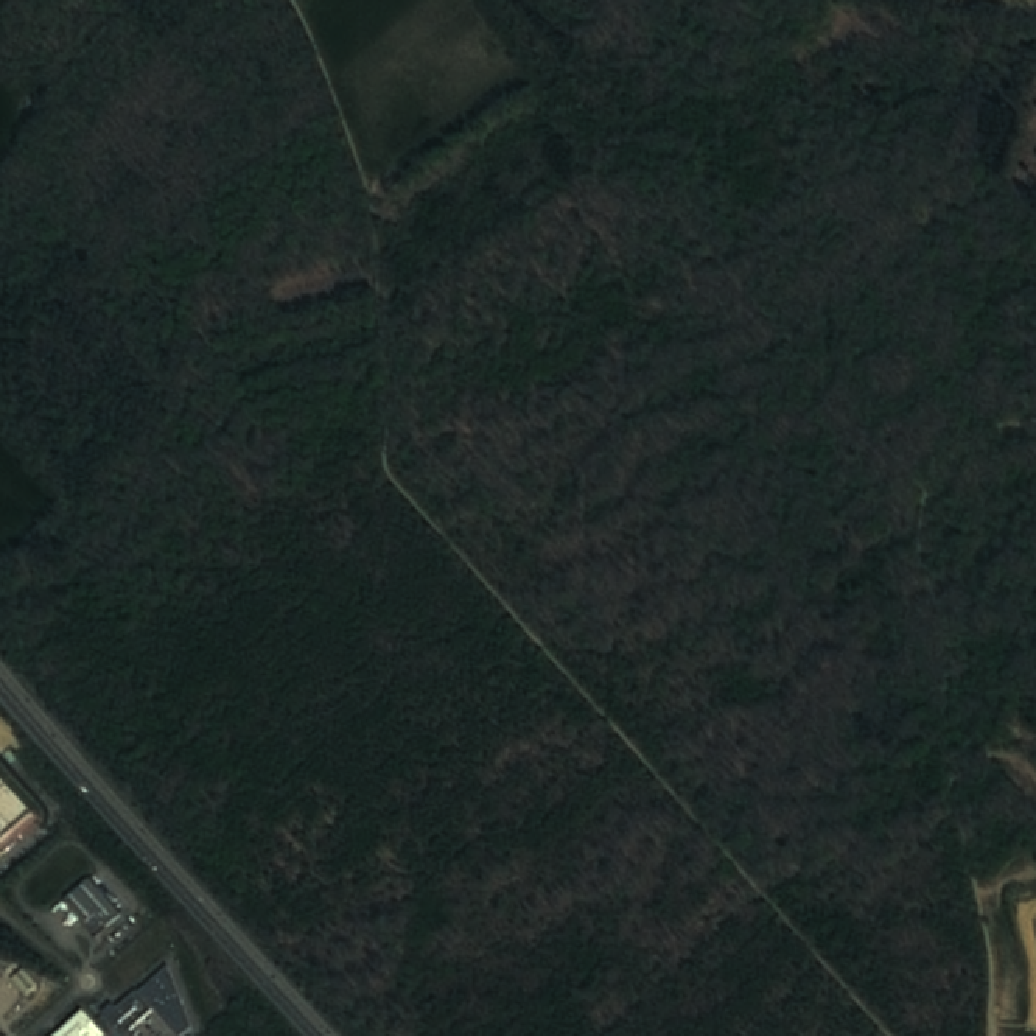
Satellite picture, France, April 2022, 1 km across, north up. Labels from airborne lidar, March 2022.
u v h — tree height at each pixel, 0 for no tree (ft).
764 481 96
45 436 77
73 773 0
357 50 0
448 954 81
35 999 0
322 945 96
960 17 89
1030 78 87
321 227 81
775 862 77
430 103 0
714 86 88
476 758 49
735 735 89
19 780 0
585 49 66
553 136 26
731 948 62
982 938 33
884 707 90
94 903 0
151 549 95
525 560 72
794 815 100
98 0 83
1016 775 0
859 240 91
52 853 0
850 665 101
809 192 84
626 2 104
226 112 97
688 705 83
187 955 0
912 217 69
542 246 80
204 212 93
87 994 0
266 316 89
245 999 31
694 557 84
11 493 0
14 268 92
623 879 98
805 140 94
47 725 0
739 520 95
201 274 80
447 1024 42
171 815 33
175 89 86
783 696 39
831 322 73
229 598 50
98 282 89
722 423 89
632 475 85
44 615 95
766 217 88
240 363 71
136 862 44
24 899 0
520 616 70
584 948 48
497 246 91
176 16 93
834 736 101
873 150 83
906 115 90
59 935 0
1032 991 0
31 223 90
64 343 89
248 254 92
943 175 100
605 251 89
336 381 70
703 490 80
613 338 95
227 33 91
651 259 77
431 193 24
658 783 83
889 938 30
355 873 47
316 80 80
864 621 88
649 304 88
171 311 79
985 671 76
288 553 39
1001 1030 0
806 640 103
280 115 84
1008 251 99
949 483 81
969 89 79
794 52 93
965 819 84
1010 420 66
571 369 29
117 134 90
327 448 35
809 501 89
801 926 46
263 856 32
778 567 86
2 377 90
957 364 78
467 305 62
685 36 91
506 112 86
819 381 80
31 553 77
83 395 76
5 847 0
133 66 73
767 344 87
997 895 0
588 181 73
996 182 94
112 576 89
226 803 52
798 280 79
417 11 0
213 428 82
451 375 52
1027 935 0
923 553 80
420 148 0
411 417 78
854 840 96
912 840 89
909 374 96
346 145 76
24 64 75
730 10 86
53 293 97
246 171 86
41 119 68
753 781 70
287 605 46
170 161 80
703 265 85
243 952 0
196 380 97
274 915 44
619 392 93
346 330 60
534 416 87
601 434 47
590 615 85
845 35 0
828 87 55
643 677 74
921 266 83
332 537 69
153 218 87
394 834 42
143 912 0
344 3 0
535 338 56
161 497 89
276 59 89
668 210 94
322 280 0
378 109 0
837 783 91
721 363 95
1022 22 82
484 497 89
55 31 83
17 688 0
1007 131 93
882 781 94
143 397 94
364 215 73
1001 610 94
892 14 73
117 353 87
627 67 89
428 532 55
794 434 92
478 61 0
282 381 90
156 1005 0
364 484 26
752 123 65
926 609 90
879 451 100
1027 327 81
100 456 92
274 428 81
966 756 104
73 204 88
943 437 96
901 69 78
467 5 0
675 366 101
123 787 32
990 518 78
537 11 52
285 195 87
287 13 70
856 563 89
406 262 19
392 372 64
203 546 84
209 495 54
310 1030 0
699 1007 40
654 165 82
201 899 0
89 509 85
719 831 80
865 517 96
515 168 38
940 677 94
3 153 0
